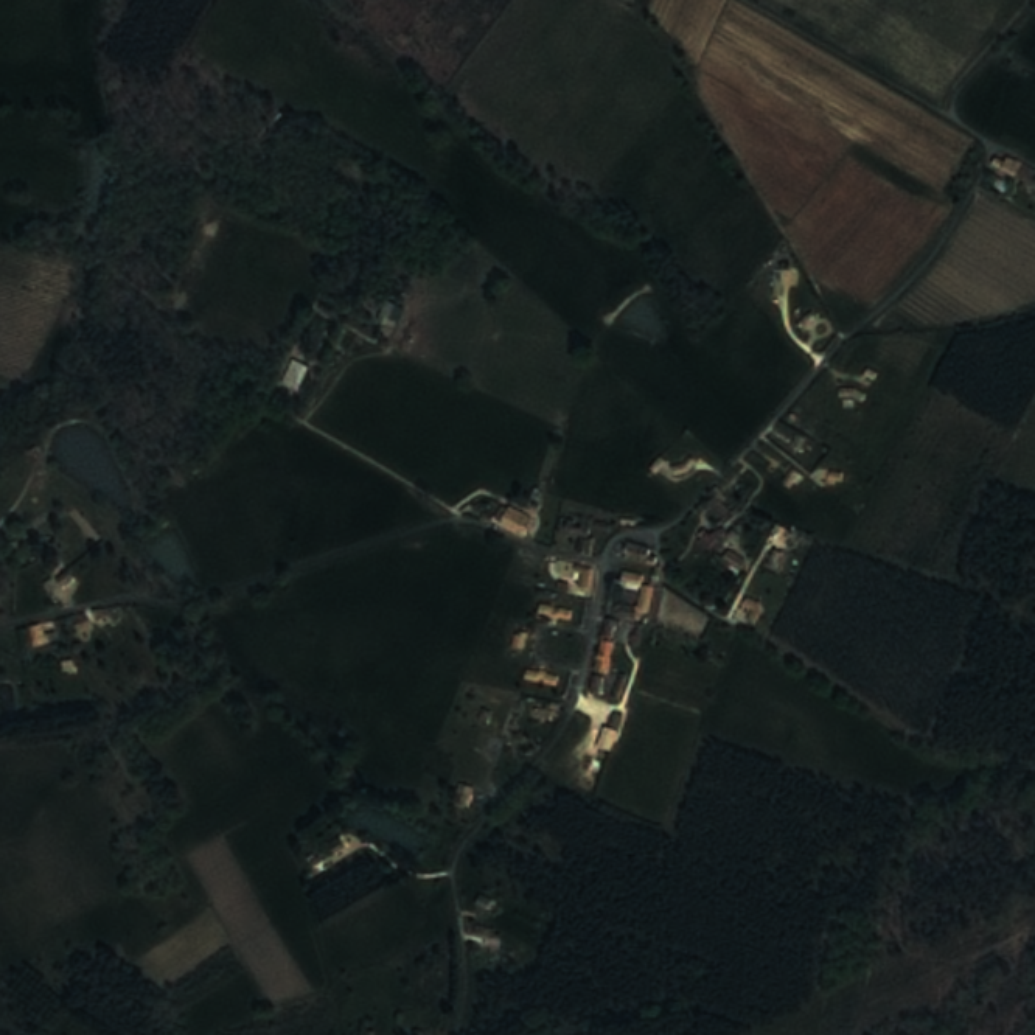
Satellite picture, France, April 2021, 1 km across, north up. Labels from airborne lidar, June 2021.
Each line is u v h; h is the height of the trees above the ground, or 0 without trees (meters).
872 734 0
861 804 14
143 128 9
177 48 8
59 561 15
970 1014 10
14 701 0
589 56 0
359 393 0
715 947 12
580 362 14
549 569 0
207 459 19
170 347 16
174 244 19
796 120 0
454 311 0
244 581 0
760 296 0
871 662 10
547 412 0
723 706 0
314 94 0
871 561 9
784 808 12
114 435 11
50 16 0
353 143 16
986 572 17
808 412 0
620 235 18
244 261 0
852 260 0
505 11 0
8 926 0
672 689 0
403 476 0
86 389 22
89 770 6
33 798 0
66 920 0
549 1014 15
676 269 18
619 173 0
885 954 8
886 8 0
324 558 0
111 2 18
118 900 0
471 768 0
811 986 14
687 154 0
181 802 15
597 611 0
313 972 0
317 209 17
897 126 0
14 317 0
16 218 0
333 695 0
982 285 0
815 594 9
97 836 0
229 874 0
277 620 0
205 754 0
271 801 0
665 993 12
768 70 0
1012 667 18
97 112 0
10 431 27
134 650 0
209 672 18
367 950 0
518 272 0
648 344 0
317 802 0
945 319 0
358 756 20
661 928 13
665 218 0
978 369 9
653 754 0
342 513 0
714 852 13
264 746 0
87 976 17
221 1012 0
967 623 6
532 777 16
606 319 0
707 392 0
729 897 14
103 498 8
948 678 10
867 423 0
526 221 0
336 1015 0
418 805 18
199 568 0
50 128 0
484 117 0
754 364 0
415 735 0
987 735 20
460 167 0
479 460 0
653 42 0
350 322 12
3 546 18
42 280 0
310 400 12
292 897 0
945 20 0
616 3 0
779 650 12
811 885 9
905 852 19
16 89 0
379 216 20
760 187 0
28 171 0
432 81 20
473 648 0
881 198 0
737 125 0
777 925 10
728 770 12
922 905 6
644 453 0
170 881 12
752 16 0
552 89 0
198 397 16
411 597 0
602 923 12
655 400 0
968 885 23
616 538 0
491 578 0
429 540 0
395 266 14
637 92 0
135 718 18
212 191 15
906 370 0
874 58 0
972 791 22
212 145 16
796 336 0
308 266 0
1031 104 0
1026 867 16
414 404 0
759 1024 11
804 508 0
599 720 0
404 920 0
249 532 0
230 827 0
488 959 5
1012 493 16
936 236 0
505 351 0
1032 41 0
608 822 13
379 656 0
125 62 7
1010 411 8
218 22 0
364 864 15
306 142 16
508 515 0
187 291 0
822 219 0
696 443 0
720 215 0
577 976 14
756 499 0
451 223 14
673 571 10
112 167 9
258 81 0
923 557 6
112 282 16
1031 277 0
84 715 16
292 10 0
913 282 0
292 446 0
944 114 0
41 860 0
